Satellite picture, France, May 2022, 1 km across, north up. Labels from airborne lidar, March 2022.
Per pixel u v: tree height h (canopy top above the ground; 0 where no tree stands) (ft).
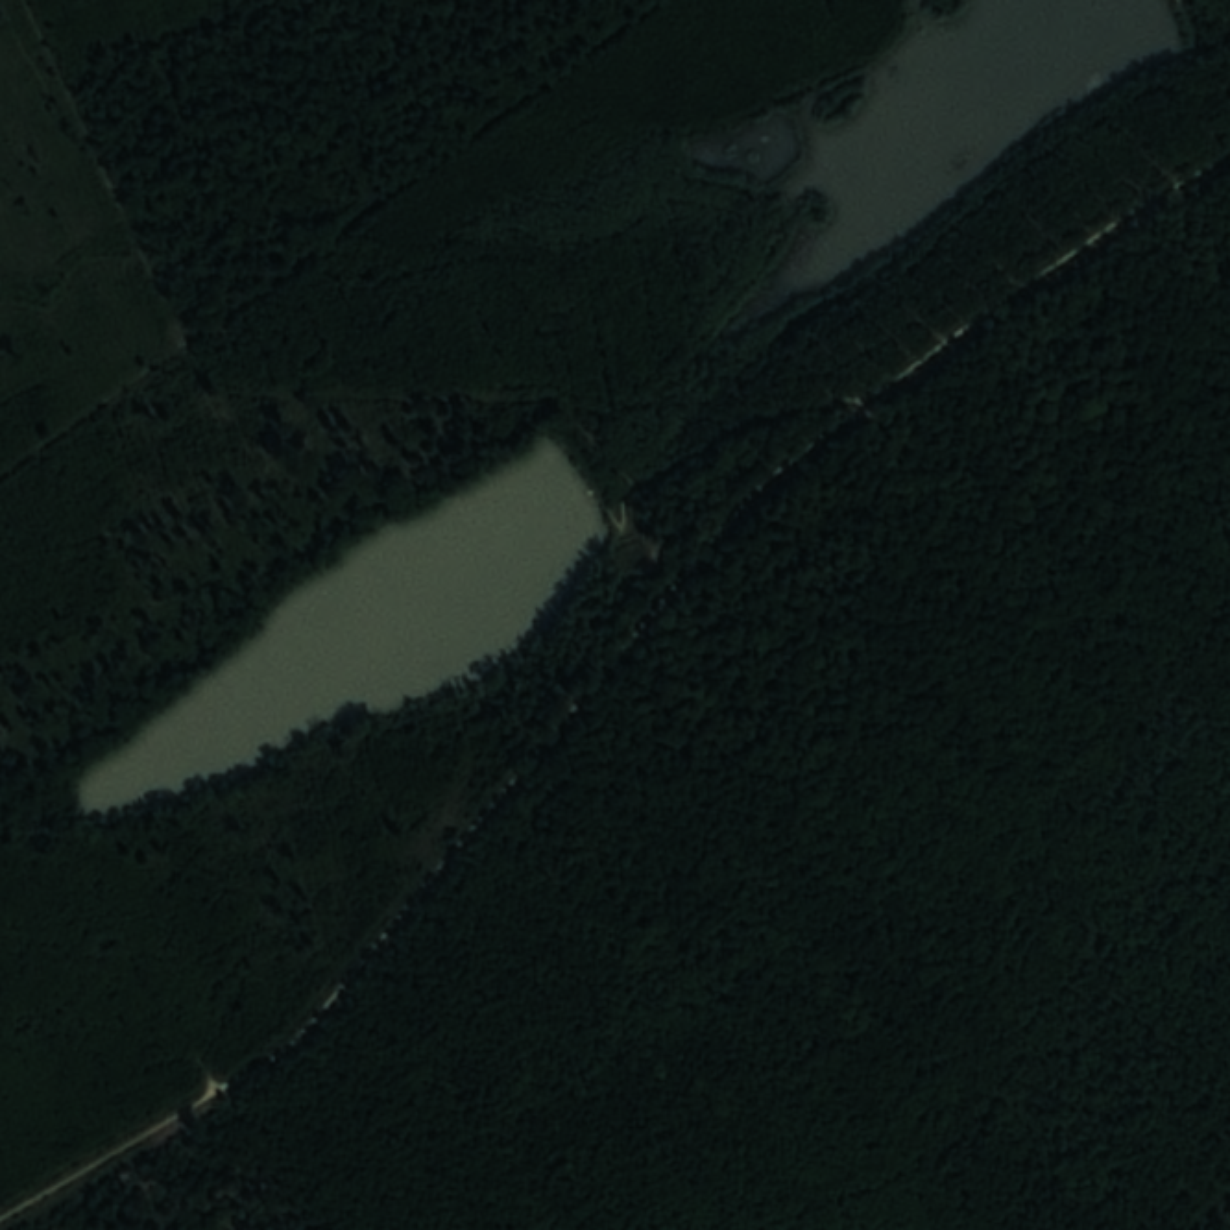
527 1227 60
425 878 0
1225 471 78
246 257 56
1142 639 75
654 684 94
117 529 30
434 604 0
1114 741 57
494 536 0
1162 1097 49
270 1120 65
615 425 74
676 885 69
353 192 68
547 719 75
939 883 73
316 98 69
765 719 75
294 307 66
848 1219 54
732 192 52
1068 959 54
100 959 33
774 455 80
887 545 86
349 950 21
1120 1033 49
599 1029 59
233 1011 37
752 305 0
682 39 45
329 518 0
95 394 0
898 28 33
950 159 0
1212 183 67
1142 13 0
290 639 0
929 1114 59
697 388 74
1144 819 31
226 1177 87
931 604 93
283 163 73
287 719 0
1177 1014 53
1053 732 78
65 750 77
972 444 81
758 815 71
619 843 71
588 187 60
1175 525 82
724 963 72
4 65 0
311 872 0
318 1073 62
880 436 65
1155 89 0
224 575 77
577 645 73
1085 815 55
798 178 0
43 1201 0
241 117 83
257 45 84
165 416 84
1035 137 32
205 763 0
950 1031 75
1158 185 0
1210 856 31
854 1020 81
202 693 0
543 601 0
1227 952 44
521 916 55
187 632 72
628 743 76
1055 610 71
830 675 86
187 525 0
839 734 88
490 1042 58
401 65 79
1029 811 63
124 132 76
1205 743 52
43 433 67
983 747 72
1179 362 97
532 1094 58
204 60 88
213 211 86
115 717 75
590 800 85
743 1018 61
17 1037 20
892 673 92
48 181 0
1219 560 79
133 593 0
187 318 81
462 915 58
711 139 0
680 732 78
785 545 91
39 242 0
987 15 0
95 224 0
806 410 69
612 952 65
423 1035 67
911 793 75
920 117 0
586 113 24
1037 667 69
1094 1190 59
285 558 66
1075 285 77
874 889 78
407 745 18
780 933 71
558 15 51
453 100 80
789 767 69
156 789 0
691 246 53
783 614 87
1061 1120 44
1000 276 0
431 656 0
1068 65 0
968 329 0
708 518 87
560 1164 60
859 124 0
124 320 0
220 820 0
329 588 0
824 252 0
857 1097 66
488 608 0
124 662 86
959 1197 41
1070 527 87
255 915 0
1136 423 90
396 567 0
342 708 0
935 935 77
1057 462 88
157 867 0
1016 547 86
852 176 0
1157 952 44
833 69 24
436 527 0
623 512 0
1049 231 0
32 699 87
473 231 61
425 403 91
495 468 54
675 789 81
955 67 0
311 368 65
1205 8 63
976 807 73
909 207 0
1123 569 89
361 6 86
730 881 76
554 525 0
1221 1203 0
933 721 83
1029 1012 50
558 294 62
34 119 0
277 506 67
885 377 0
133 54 59
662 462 54
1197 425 83
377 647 0
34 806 41
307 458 90
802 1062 61
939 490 88
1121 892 49
